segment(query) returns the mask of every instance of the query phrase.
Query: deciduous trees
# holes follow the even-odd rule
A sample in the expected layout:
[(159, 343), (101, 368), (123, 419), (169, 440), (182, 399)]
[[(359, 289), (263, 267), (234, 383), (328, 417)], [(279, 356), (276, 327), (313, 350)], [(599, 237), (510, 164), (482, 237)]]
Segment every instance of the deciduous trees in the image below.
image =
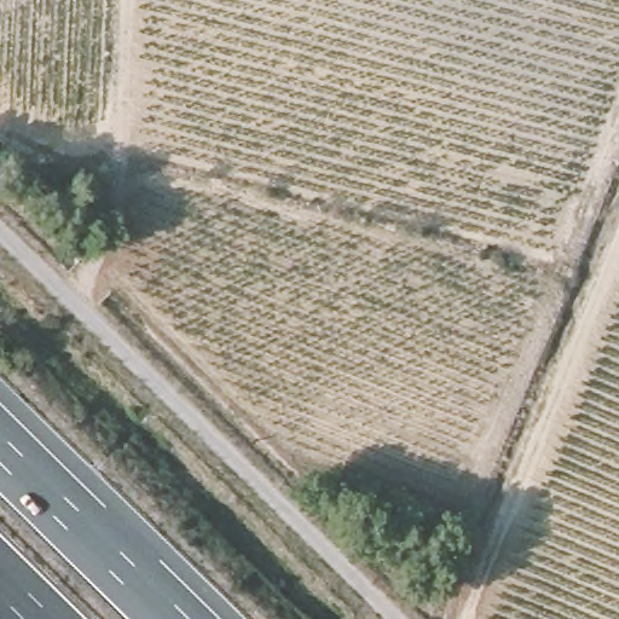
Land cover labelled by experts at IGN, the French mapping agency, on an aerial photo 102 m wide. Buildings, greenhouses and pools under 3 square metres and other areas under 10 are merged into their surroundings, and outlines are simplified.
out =
[(150, 413), (150, 401), (140, 406), (123, 406), (126, 418), (131, 423), (143, 423), (143, 418)]
[(324, 537), (348, 559), (355, 551), (365, 554), (368, 559), (387, 556), (392, 566), (399, 566), (392, 580), (416, 592), (423, 602), (430, 602), (433, 597), (457, 595), (452, 590), (455, 573), (442, 568), (440, 546), (472, 554), (472, 546), (464, 539), (459, 515), (442, 513), (442, 525), (438, 525), (438, 532), (430, 537), (430, 542), (418, 537), (418, 530), (411, 530), (406, 539), (384, 539), (387, 515), (382, 510), (370, 510), (365, 496), (348, 491), (339, 493), (336, 503), (329, 503), (326, 488), (319, 486), (319, 476), (326, 469), (314, 469), (302, 476), (300, 498), (295, 503), (324, 532)]
[(53, 235), (75, 235), (85, 213), (85, 203), (92, 201), (92, 193), (89, 184), (85, 181), (85, 174), (75, 174), (73, 218), (63, 215), (56, 193), (46, 193), (41, 186), (24, 186), (22, 177), (7, 181), (5, 186), (31, 210), (27, 220), (29, 225), (51, 225)]

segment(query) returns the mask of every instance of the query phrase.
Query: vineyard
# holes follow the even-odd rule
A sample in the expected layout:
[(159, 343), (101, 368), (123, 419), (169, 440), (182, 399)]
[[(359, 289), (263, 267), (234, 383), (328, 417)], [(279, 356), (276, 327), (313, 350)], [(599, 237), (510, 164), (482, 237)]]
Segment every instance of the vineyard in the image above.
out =
[(85, 259), (97, 259), (109, 249), (102, 225), (94, 222), (89, 227), (89, 237), (85, 239)]
[(573, 426), (571, 433), (561, 438), (559, 459), (549, 472), (549, 481), (544, 481), (539, 488), (551, 496), (549, 534), (542, 539), (539, 546), (532, 549), (527, 568), (517, 568), (513, 571), (513, 575), (503, 575), (488, 585), (467, 585), (457, 595), (433, 597), (430, 602), (423, 602), (416, 592), (392, 580), (399, 566), (392, 566), (387, 556), (368, 559), (365, 554), (355, 551), (348, 559), (351, 563), (363, 568), (370, 575), (370, 580), (409, 619), (619, 619), (619, 302), (617, 314), (612, 314), (612, 324), (604, 329), (602, 348), (595, 348), (590, 353), (590, 358), (597, 365), (590, 372), (590, 380), (585, 382), (585, 392), (580, 392), (580, 404), (575, 404), (573, 421), (585, 423)]

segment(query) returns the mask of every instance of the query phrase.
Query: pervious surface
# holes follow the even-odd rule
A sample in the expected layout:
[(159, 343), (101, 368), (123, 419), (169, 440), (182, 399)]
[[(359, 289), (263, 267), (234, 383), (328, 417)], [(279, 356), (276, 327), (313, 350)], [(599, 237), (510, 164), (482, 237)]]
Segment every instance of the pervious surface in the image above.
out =
[(99, 310), (94, 305), (92, 290), (102, 264), (97, 259), (85, 259), (75, 259), (73, 268), (65, 268), (63, 264), (56, 264), (51, 256), (39, 256), (27, 247), (24, 237), (19, 237), (12, 227), (7, 227), (0, 220), (0, 247), (5, 247), (39, 283), (44, 283), (46, 290), (56, 295), (68, 312), (75, 317), (85, 324), (87, 331), (97, 334), (99, 341), (109, 346), (109, 351), (116, 358), (121, 358), (133, 375), (143, 377), (145, 384), (191, 430), (196, 430), (198, 438), (215, 455), (220, 455), (256, 491), (256, 496), (266, 501), (278, 513), (278, 517), (285, 520), (305, 539), (307, 546), (312, 546), (324, 561), (329, 561), (334, 571), (351, 588), (355, 588), (365, 597), (365, 602), (384, 619), (409, 619), (370, 580), (370, 575), (363, 568), (351, 563), (348, 559), (324, 537), (324, 532), (295, 503), (283, 493), (280, 484), (273, 484), (261, 469), (256, 469), (227, 435), (222, 435), (193, 406), (189, 394), (179, 389), (177, 382), (172, 382), (143, 355), (143, 351), (138, 351), (128, 339), (121, 336), (118, 324), (106, 314), (104, 307)]

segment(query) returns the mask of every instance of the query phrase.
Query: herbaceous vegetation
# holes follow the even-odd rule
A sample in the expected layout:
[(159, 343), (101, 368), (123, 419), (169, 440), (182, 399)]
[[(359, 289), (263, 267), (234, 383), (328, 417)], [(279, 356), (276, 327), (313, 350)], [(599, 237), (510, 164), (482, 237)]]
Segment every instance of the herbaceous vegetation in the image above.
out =
[(56, 295), (46, 290), (44, 283), (39, 283), (5, 247), (0, 247), (0, 288), (36, 322), (68, 312)]

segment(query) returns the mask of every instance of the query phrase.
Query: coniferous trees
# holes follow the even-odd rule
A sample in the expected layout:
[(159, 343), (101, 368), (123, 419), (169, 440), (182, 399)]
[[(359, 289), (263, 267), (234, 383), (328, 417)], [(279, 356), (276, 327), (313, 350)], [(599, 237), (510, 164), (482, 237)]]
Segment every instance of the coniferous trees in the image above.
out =
[(442, 525), (442, 513), (459, 515), (464, 539), (472, 546), (472, 554), (440, 546), (442, 568), (455, 573), (452, 590), (457, 595), (467, 585), (488, 585), (503, 575), (513, 575), (513, 571), (517, 568), (527, 568), (532, 549), (539, 546), (542, 539), (549, 534), (551, 496), (539, 488), (513, 486), (503, 491), (505, 479), (498, 474), (481, 479), (472, 472), (457, 469), (450, 462), (416, 457), (406, 452), (401, 445), (372, 445), (355, 452), (346, 464), (326, 469), (319, 476), (319, 486), (326, 488), (329, 503), (336, 503), (339, 493), (348, 491), (365, 496), (370, 510), (382, 510), (387, 515), (384, 539), (406, 539), (411, 530), (418, 530), (418, 537), (430, 542), (430, 537), (438, 532), (438, 525)]

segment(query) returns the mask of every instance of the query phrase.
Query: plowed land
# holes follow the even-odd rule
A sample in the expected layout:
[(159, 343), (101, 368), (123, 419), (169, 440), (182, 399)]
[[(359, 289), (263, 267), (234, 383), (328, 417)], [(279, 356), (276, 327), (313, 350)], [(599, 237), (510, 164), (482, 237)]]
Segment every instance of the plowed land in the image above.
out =
[(193, 479), (198, 479), (206, 486), (206, 491), (210, 491), (220, 503), (225, 503), (261, 539), (261, 544), (268, 546), (283, 561), (283, 566), (302, 580), (302, 585), (314, 597), (336, 609), (343, 619), (384, 619), (365, 602), (365, 597), (355, 588), (351, 588), (334, 571), (329, 561), (324, 561), (312, 546), (307, 546), (305, 539), (285, 520), (278, 517), (278, 513), (266, 501), (256, 496), (256, 491), (220, 455), (215, 455), (198, 438), (196, 430), (191, 430), (145, 384), (143, 377), (133, 375), (121, 358), (116, 358), (109, 351), (109, 346), (99, 341), (97, 334), (87, 331), (85, 324), (75, 317), (65, 331), (65, 351), (82, 372), (99, 382), (123, 406), (140, 406), (150, 401), (150, 413), (143, 418), (143, 423), (157, 435), (160, 445), (172, 450), (184, 462), (184, 467), (191, 472)]
[[(31, 210), (5, 186), (7, 181), (22, 177), (24, 186), (41, 186), (46, 193), (56, 193), (63, 215), (73, 218), (75, 174), (85, 174), (85, 181), (89, 184), (92, 193), (92, 201), (85, 203), (85, 213), (75, 235), (53, 235), (51, 225), (29, 225), (27, 220)], [(503, 491), (513, 486), (539, 488), (544, 481), (549, 481), (549, 472), (559, 459), (561, 438), (571, 433), (573, 426), (585, 423), (573, 421), (575, 404), (580, 404), (580, 392), (585, 392), (585, 382), (590, 380), (590, 372), (597, 365), (590, 358), (590, 353), (595, 348), (602, 348), (604, 329), (612, 324), (612, 314), (617, 314), (619, 302), (619, 0), (0, 0), (0, 220), (7, 227), (12, 227), (19, 237), (24, 237), (27, 247), (39, 256), (51, 256), (56, 264), (63, 264), (65, 268), (73, 268), (75, 259), (85, 259), (85, 239), (89, 237), (89, 227), (94, 222), (102, 225), (109, 249), (97, 259), (102, 264), (92, 290), (94, 305), (99, 310), (104, 307), (106, 314), (118, 324), (121, 336), (128, 339), (138, 351), (143, 351), (143, 355), (172, 382), (177, 382), (179, 389), (189, 394), (193, 406), (222, 435), (227, 435), (256, 469), (261, 469), (273, 484), (280, 484), (283, 493), (295, 503), (300, 498), (302, 476), (314, 469), (326, 469), (346, 464), (355, 452), (372, 445), (401, 445), (406, 452), (416, 457), (450, 462), (457, 469), (472, 472), (481, 479), (498, 474), (505, 479)]]

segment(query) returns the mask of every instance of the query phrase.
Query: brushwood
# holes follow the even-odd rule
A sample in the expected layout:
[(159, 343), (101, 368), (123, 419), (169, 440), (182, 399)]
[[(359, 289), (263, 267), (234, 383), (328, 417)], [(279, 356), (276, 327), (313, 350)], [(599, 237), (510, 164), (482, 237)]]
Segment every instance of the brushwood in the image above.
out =
[(181, 522), (179, 530), (184, 532), (189, 544), (210, 554), (210, 561), (222, 573), (227, 573), (232, 585), (249, 595), (271, 619), (343, 619), (336, 609), (314, 597), (302, 585), (302, 580), (283, 566), (283, 561), (268, 546), (261, 544), (261, 539), (225, 503), (220, 503), (210, 491), (206, 491), (206, 486), (198, 479), (193, 479), (191, 472), (184, 467), (184, 462), (172, 450), (160, 445), (157, 435), (143, 423), (131, 423), (126, 418), (123, 406), (99, 382), (82, 372), (65, 351), (65, 331), (75, 317), (68, 312), (36, 322), (0, 288), (0, 358), (7, 363), (10, 370), (19, 372), (22, 377), (29, 377), (48, 401), (63, 406), (73, 426), (87, 433), (89, 442), (104, 457), (114, 457), (135, 484), (145, 486), (147, 493), (155, 498), (157, 510), (164, 515), (174, 515)]

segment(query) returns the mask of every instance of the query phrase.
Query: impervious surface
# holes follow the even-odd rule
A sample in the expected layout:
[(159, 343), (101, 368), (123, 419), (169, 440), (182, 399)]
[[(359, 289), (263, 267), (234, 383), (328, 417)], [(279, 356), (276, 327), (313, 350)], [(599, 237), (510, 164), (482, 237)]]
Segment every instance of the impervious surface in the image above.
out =
[(164, 515), (157, 510), (155, 498), (147, 493), (145, 486), (135, 484), (114, 457), (104, 457), (89, 442), (87, 433), (73, 426), (63, 406), (48, 401), (29, 377), (22, 377), (19, 372), (10, 370), (7, 363), (0, 358), (0, 619), (271, 619), (249, 595), (232, 585), (227, 573), (222, 573), (210, 561), (210, 554), (189, 544), (184, 532), (179, 530), (181, 522), (174, 515)]

